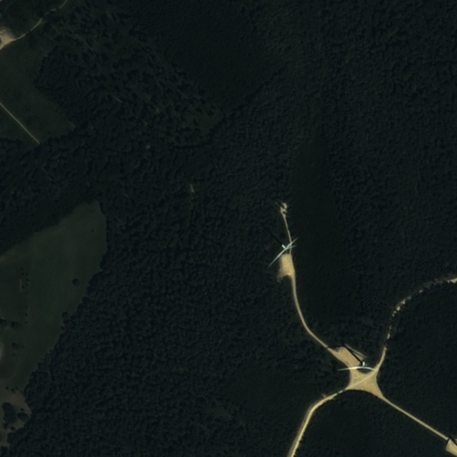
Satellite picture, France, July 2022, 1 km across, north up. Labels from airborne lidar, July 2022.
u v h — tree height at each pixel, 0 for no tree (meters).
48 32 24
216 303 23
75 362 20
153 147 14
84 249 0
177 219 8
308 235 9
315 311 14
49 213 28
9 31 0
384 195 23
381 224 23
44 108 0
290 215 12
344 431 12
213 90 16
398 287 14
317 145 13
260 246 16
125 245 30
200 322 21
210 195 11
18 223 27
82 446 13
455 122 21
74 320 16
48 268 0
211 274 26
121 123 27
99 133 27
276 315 14
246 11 28
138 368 23
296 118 16
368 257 26
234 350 20
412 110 26
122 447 19
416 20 25
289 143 14
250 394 10
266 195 10
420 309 28
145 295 17
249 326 24
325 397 0
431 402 12
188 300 20
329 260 14
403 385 14
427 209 19
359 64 25
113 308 20
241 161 14
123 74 30
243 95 15
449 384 26
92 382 30
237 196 19
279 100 18
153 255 26
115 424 26
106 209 22
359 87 20
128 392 27
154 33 17
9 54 0
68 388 27
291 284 0
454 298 26
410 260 16
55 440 22
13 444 23
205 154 25
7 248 26
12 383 0
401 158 17
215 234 21
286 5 24
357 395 20
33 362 0
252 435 16
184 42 19
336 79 26
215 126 0
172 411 26
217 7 15
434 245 17
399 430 10
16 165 29
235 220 21
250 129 22
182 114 26
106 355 25
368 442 14
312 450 21
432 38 29
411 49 26
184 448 20
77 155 23
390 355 20
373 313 15
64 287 0
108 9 27
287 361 18
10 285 0
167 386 24
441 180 26
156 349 24
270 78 10
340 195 19
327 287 14
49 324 0
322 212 12
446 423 12
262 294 22
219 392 9
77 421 25
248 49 16
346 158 16
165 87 26
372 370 0
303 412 8
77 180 25
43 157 28
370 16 13
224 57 19
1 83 0
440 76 24
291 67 15
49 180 24
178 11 19
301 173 12
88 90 25
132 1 18
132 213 26
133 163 20
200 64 18
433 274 16
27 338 0
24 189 29
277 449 18
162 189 23
